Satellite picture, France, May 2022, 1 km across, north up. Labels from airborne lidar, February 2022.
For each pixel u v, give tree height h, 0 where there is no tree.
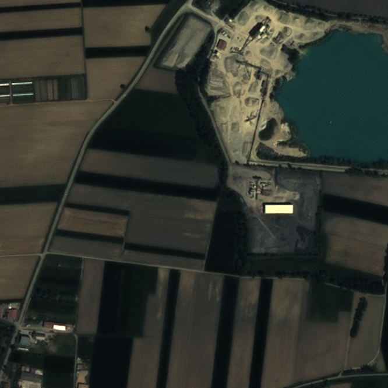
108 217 0
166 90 0
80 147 0
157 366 0
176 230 0
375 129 0
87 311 0
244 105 0
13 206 0
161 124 0
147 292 0
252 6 0
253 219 0
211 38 14
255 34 0
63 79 0
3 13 0
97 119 0
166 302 0
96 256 0
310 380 0
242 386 0
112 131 0
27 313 0
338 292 0
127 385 0
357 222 0
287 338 0
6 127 0
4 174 0
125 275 0
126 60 0
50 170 0
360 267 0
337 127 0
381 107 0
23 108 0
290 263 0
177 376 0
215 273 0
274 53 0
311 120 0
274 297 0
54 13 0
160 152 0
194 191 0
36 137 0
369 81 0
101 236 0
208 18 0
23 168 0
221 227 0
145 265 0
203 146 0
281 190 0
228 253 0
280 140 0
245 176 0
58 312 0
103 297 0
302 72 0
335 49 0
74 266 0
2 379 0
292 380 0
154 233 0
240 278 0
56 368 0
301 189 0
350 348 0
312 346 0
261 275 19
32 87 0
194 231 0
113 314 0
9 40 0
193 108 19
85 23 0
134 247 0
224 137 0
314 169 0
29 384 0
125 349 0
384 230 0
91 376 0
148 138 0
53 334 0
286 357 0
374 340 0
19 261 0
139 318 0
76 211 0
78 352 0
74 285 0
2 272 0
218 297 0
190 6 0
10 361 0
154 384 0
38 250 0
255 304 0
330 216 0
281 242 0
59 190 0
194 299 0
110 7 0
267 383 0
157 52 0
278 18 0
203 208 0
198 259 0
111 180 0
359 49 0
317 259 0
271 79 0
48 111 0
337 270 0
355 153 0
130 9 0
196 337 0
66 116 0
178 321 0
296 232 0
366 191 0
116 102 0
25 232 0
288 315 0
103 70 0
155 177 0
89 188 0
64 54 0
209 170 0
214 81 0
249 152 0
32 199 0
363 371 6
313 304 0
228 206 0
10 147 0
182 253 0
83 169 0
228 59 0
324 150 0
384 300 0
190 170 0
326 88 0
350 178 0
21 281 0
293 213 0
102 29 0
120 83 0
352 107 0
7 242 0
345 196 0
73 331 0
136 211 0
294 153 0
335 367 0
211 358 0
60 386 0
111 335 0
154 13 0
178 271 0
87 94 0
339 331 0
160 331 0
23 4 0
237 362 0
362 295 0
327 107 0
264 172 0
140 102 0
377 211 0
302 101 0
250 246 0
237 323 0
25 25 0
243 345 0
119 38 0
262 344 0
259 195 0
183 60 0
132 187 0
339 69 0
